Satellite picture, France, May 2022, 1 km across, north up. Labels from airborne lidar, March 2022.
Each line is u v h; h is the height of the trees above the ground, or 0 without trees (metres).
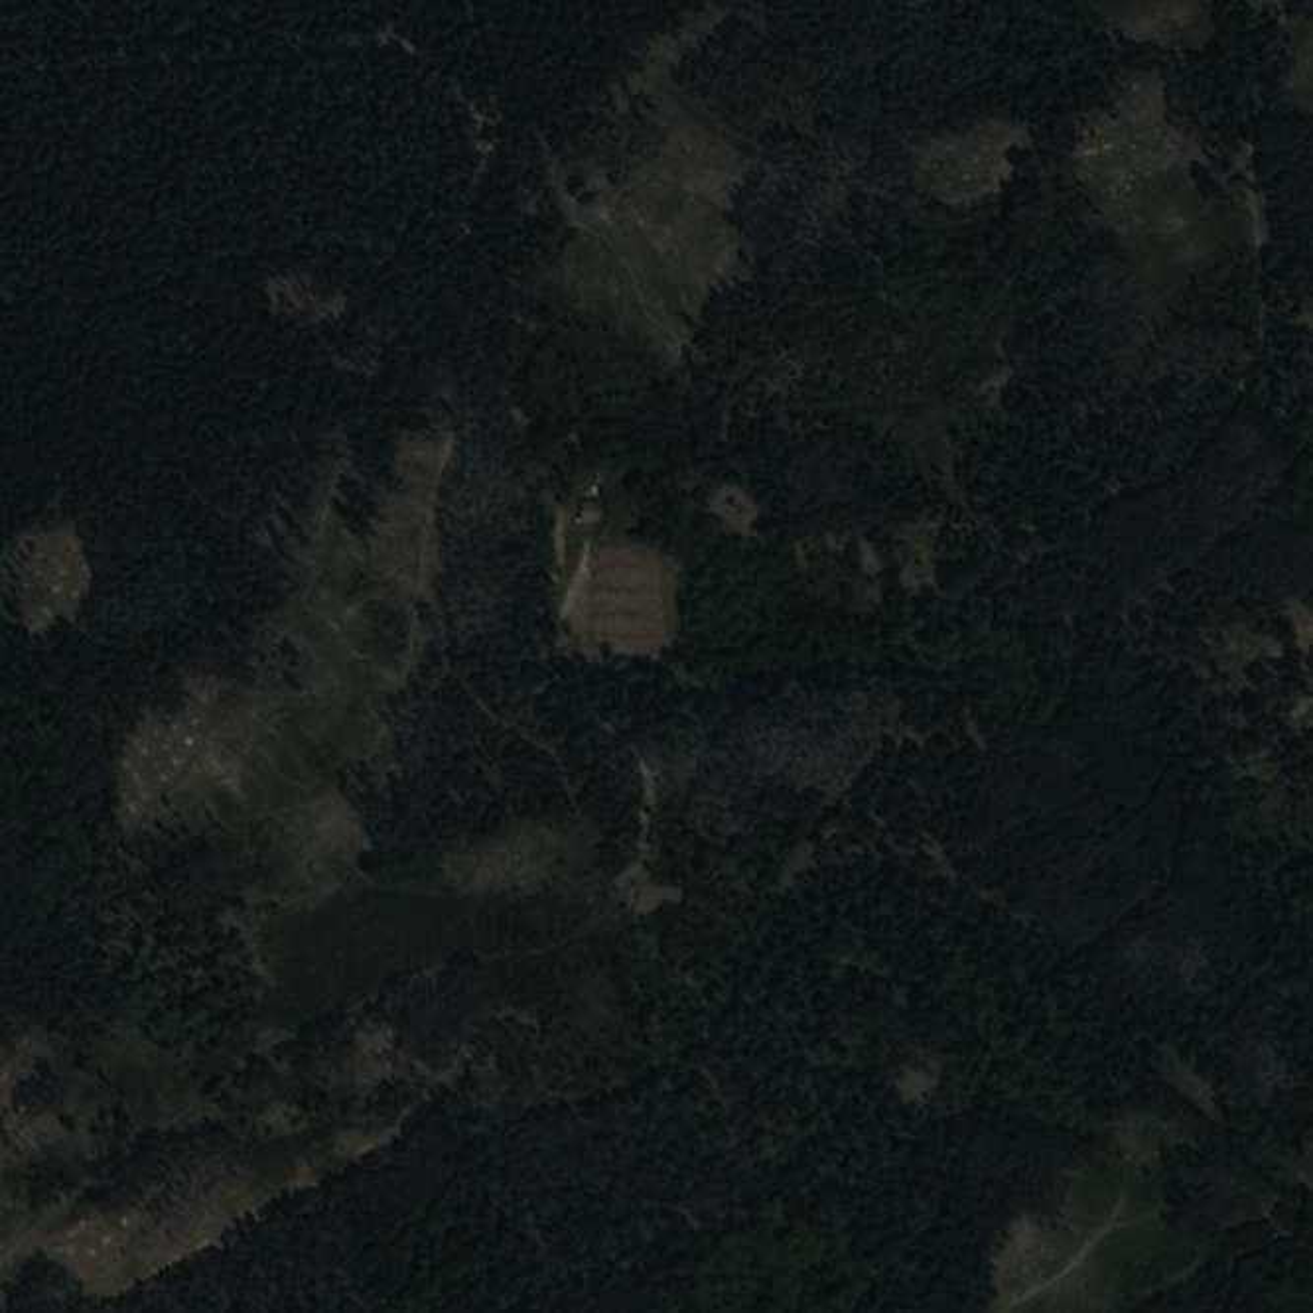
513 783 7
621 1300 27
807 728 26
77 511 22
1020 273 9
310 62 13
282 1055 12
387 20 11
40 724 13
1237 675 0
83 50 29
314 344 21
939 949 12
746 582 10
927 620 28
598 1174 21
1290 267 29
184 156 30
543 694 20
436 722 9
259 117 29
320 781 0
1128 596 22
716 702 27
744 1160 21
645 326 0
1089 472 7
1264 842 0
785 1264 30
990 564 18
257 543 21
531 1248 28
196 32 9
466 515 22
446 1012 22
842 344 7
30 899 21
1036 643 24
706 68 25
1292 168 22
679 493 11
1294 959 25
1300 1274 9
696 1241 22
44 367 15
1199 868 21
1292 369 25
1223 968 26
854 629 8
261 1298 26
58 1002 22
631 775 11
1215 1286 11
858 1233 25
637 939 8
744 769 23
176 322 19
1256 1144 26
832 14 28
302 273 18
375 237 19
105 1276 0
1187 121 25
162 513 23
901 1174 13
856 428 12
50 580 0
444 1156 14
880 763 11
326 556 0
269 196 25
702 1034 11
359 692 0
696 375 24
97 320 23
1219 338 23
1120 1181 0
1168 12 0
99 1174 20
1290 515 18
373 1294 30
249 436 24
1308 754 23
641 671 20
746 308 19
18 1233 0
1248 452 20
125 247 15
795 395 12
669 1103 29
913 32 25
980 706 21
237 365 21
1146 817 15
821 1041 16
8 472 23
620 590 0
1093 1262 0
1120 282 27
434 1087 24
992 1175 26
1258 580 21
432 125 13
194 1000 21
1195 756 23
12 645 17
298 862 0
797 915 27
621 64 25
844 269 13
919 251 22
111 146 14
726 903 12
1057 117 22
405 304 24
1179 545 22
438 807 20
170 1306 24
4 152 26
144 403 23
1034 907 16
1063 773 17
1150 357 24
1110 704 26
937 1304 26
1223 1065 32
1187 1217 33
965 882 13
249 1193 0
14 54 26
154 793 0
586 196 27
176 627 18
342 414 22
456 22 10
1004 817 19
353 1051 21
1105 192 0
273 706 0
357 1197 20
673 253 0
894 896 18
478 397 22
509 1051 24
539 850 0
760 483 14
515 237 22
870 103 26
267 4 19
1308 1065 28
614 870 6
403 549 0
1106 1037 31
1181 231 0
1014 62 14
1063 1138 26
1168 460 16
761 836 19
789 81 26
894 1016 21
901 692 15
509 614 16
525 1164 18
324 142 28
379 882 20
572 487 8
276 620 24
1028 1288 0
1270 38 29
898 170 28
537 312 14
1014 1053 22
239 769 0
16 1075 0
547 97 17
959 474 13
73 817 15
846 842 11
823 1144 19
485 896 0
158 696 20
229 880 0
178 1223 22
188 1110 0
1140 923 24
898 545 22
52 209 27
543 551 7
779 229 20
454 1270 20
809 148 24
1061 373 23
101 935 12
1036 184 18
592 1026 0
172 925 17
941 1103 6
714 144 0
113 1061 0
